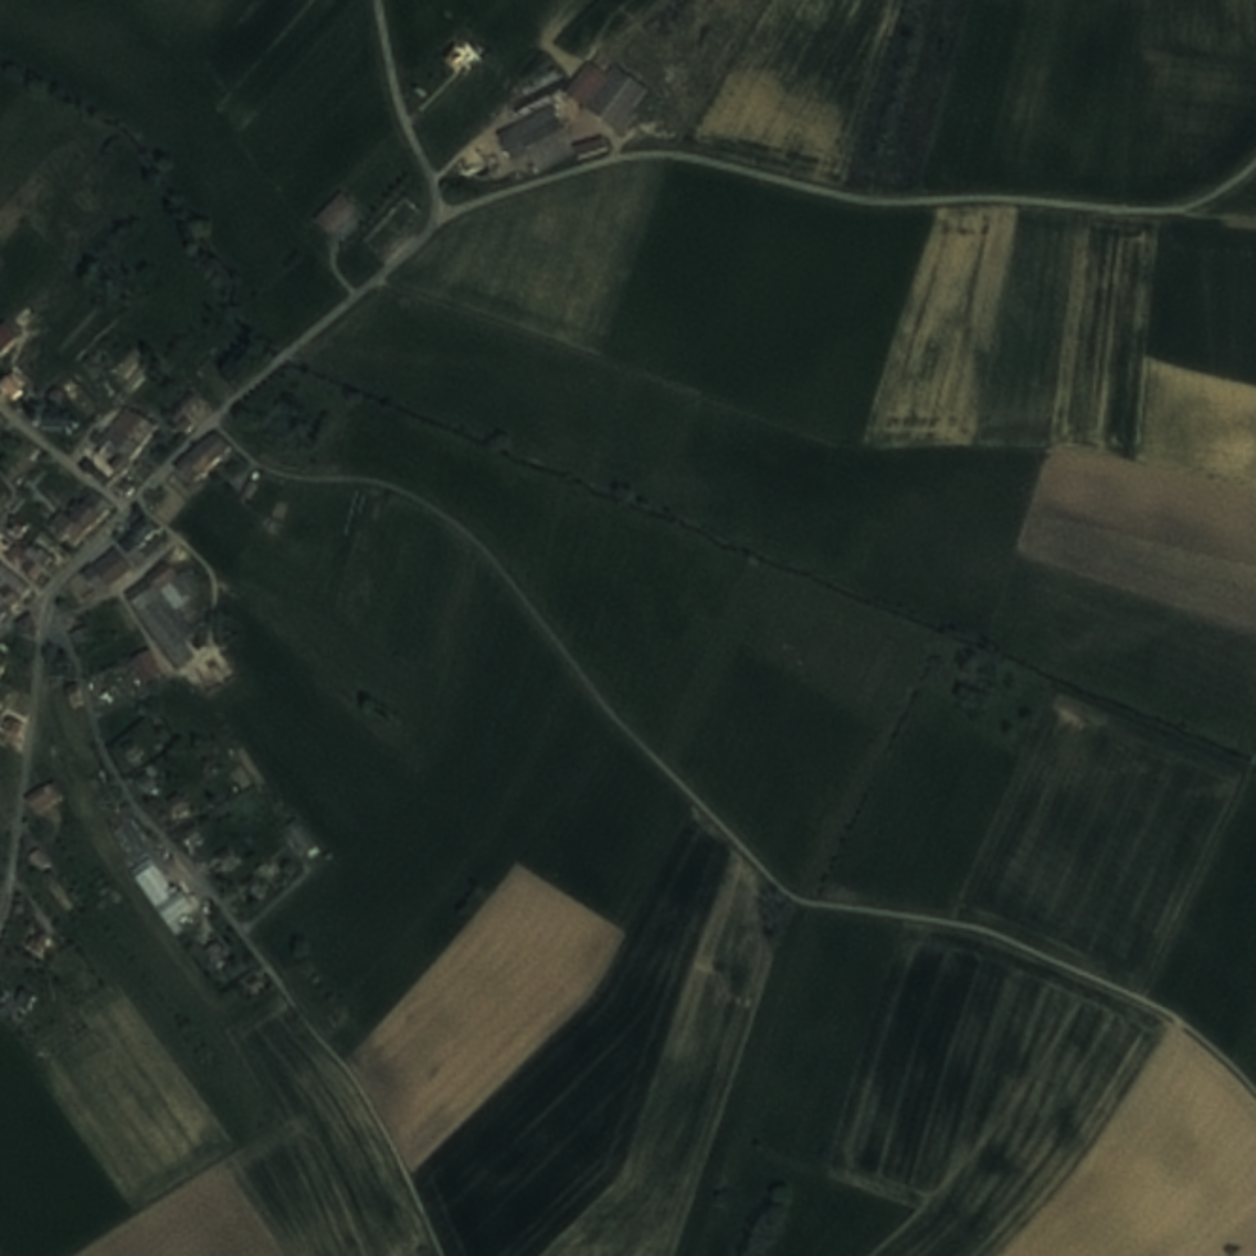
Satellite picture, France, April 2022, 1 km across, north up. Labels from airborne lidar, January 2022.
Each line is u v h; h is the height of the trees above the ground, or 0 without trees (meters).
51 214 0
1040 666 0
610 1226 0
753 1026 0
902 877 0
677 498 0
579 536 0
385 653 0
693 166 0
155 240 0
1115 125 0
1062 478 0
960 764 0
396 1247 0
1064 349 0
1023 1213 0
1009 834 0
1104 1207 0
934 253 0
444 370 0
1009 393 0
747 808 0
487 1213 0
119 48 0
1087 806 0
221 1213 0
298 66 0
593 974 0
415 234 0
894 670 0
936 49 0
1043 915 0
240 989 7
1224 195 0
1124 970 0
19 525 0
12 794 0
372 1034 0
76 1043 0
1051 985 0
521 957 0
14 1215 0
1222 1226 0
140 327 0
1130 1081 0
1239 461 0
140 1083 0
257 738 0
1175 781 0
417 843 0
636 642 0
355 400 16
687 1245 0
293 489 0
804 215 0
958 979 0
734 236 0
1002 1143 0
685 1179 0
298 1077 0
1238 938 0
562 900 0
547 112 0
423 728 0
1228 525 0
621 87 0
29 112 0
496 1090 0
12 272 0
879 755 0
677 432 0
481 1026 0
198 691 0
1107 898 0
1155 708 0
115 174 0
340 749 0
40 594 0
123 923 0
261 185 0
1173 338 0
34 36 0
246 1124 0
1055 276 0
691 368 0
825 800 0
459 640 0
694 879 0
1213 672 0
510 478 0
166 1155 0
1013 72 0
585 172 0
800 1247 0
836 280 0
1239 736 0
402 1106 0
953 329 0
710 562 0
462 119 0
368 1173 0
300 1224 0
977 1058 0
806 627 0
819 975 0
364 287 0
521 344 0
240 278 12
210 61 0
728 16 0
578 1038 0
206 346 0
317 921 0
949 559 0
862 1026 0
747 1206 0
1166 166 0
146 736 0
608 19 0
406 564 0
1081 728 0
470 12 0
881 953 0
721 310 0
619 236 0
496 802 0
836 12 0
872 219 0
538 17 0
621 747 0
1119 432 0
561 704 0
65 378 0
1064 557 0
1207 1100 0
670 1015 0
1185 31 0
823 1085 0
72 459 0
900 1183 0
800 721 0
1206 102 0
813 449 0
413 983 0
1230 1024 0
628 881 0
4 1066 0
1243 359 0
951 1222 0
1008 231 0
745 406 0
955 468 0
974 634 0
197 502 0
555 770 0
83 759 0
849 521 0
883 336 0
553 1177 0
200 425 0
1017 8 0
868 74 0
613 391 0
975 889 0
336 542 0
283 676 0
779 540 0
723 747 0
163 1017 0
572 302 0
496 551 0
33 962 7
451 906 0
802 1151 0
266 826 0
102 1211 0
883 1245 0
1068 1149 0
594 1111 0
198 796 0
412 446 0
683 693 0
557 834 0
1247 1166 0
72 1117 0
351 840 0
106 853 0
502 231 0
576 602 0
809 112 0
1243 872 0
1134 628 0
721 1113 0
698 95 0
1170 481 0
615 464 0
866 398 0
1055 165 0
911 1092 0
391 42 0
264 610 0
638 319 0
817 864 0
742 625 0
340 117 0
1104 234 0
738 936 0
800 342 0
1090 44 0
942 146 0
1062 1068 0
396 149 0
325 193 0
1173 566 0
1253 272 0
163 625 0
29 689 0
